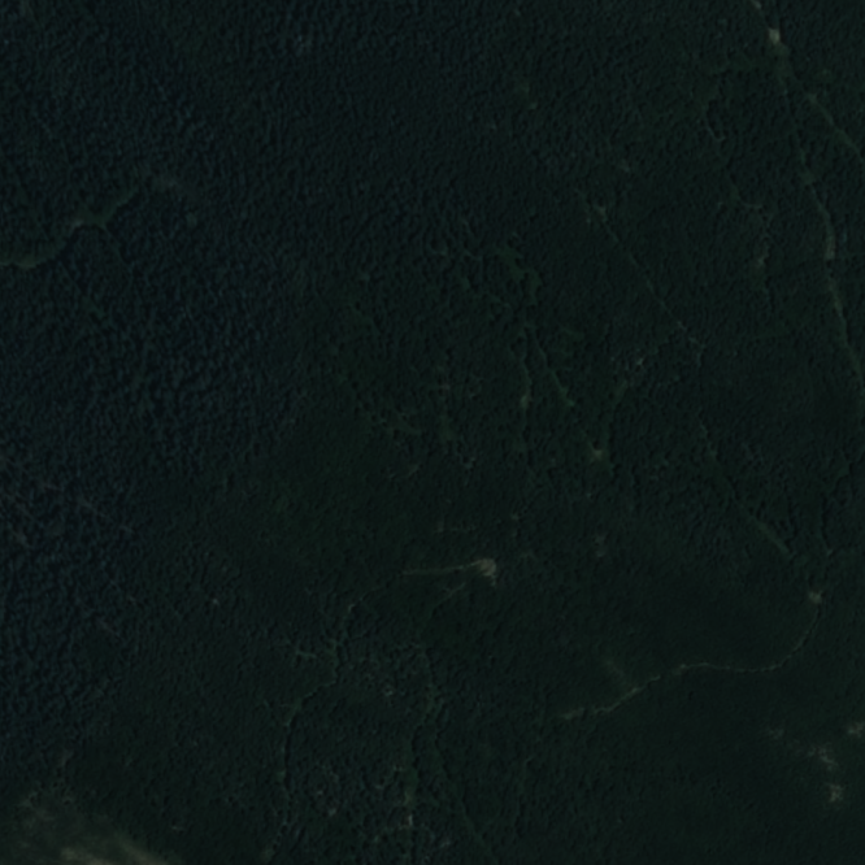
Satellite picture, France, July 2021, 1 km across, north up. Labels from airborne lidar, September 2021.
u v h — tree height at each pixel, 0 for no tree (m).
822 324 12
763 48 18
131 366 18
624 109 15
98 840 0
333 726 14
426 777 28
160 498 11
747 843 16
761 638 9
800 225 16
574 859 13
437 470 16
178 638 25
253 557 20
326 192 25
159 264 17
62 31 16
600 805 22
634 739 16
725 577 20
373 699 16
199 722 17
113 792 15
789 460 8
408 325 11
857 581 18
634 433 21
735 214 6
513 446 32
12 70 17
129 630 23
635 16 20
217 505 19
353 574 8
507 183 19
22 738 25
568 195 19
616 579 14
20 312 14
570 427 17
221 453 20
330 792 26
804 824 12
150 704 20
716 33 16
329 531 19
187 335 20
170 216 22
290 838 18
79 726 16
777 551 15
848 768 9
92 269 19
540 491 19
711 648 13
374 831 27
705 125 18
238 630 18
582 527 13
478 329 23
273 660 17
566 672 12
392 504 17
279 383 11
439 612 22
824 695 18
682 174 22
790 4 11
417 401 20
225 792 19
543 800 19
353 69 22
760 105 21
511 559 14
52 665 18
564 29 22
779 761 8
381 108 25
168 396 28
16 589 17
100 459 11
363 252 19
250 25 25
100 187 16
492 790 18
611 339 15
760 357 21
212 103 14
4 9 15
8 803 15
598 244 17
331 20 25
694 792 20
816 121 19
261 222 21
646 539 10
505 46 21
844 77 28
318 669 16
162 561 11
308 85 26
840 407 19
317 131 20
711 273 19
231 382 20
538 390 19
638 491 12
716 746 15
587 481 20
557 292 18
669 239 23
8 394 13
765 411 18
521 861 15
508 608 9
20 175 13
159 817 20
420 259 15
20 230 23
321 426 16
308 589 13
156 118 23
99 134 19
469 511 15
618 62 27
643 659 16
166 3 23
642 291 13
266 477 16
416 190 20
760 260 21
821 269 16
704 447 11
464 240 16
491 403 16
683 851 16
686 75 22
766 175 24
